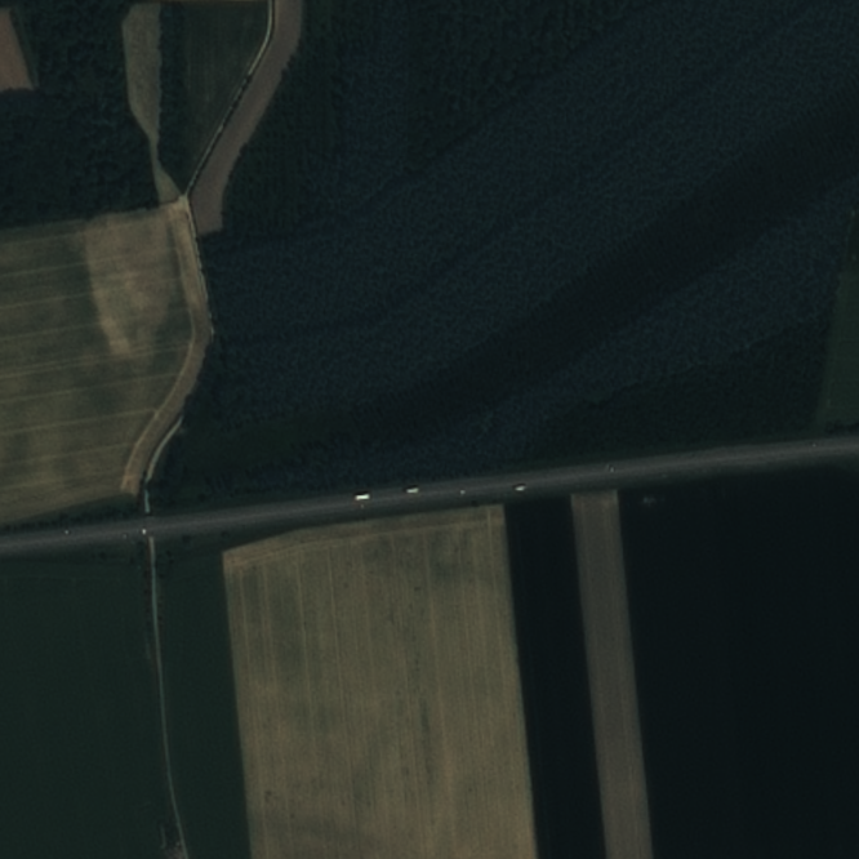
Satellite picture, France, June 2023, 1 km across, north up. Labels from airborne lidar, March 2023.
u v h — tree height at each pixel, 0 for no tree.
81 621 0
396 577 0
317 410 0
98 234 0
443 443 21
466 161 29
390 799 0
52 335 0
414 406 24
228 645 0
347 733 0
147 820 0
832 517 0
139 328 0
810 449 0
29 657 0
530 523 0
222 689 0
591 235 26
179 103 17
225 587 0
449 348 29
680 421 12
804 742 0
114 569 0
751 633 0
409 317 29
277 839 0
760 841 0
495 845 0
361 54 26
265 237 24
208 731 0
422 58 15
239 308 24
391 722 0
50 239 0
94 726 0
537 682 0
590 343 22
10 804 0
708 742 0
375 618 0
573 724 0
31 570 0
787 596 0
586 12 20
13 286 0
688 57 27
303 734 0
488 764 0
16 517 0
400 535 0
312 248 29
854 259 0
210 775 0
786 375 12
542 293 14
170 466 16
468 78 22
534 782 0
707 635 0
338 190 27
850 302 0
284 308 25
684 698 0
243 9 0
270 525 0
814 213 26
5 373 0
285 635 0
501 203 28
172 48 16
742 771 0
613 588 0
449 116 22
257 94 0
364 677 0
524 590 0
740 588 0
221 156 0
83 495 0
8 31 0
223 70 0
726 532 0
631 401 12
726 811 0
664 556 0
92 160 21
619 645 0
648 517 0
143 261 0
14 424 0
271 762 0
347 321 28
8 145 22
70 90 24
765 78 27
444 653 0
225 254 17
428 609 0
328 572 0
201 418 0
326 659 0
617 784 0
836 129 17
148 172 17
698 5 23
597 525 0
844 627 0
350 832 0
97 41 21
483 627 0
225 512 0
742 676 0
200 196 0
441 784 0
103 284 0
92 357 0
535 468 0
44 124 24
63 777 0
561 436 13
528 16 21
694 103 25
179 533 0
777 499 0
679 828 0
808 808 0
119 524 0
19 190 23
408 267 29
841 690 0
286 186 17
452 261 27
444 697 0
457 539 0
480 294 29
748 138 27
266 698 0
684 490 0
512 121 21
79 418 0
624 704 0
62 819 0
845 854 0
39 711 0
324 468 21
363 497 0
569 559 0
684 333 23
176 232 0
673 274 24
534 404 27
